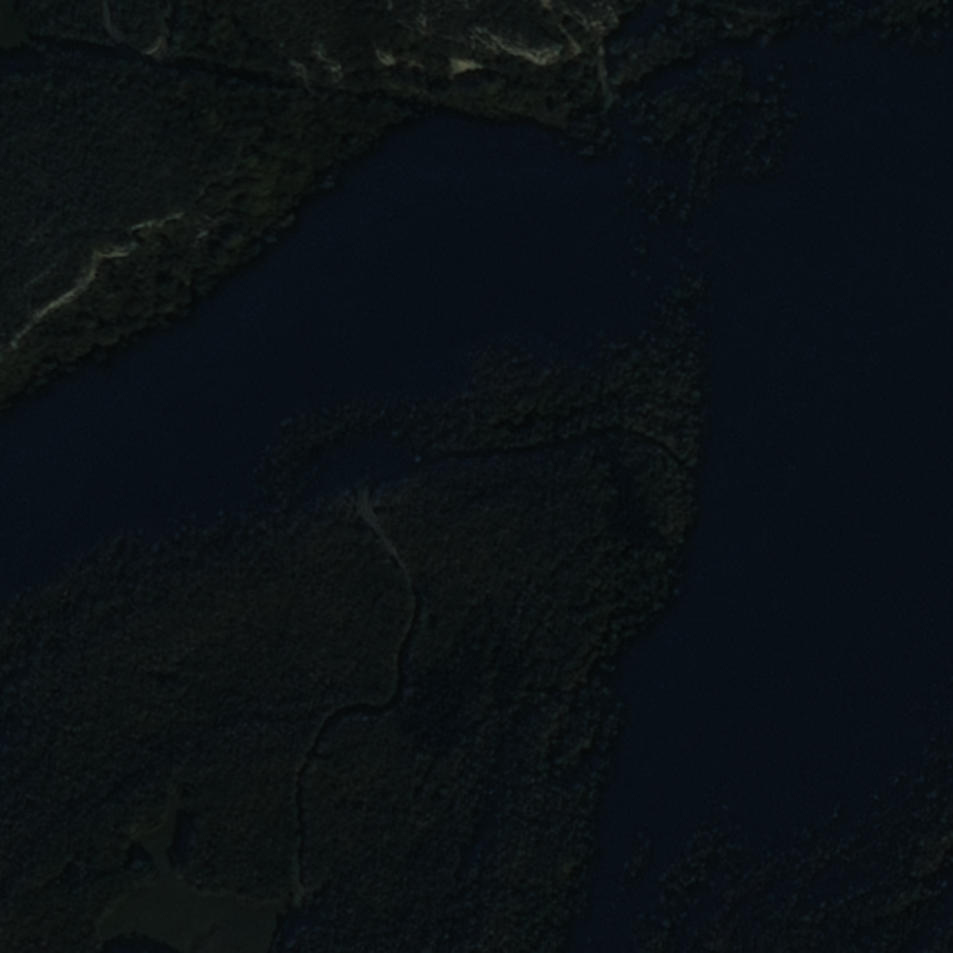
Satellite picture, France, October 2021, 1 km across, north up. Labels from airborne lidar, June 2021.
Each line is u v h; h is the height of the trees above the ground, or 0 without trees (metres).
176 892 0
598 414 19
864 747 21
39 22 17
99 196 7
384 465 25
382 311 23
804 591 22
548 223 29
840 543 23
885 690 18
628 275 39
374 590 13
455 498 12
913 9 27
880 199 26
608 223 20
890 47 25
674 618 12
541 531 10
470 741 23
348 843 15
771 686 13
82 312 6
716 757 23
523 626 16
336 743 15
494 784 21
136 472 23
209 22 30
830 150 17
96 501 17
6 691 12
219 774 19
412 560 14
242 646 20
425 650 13
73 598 12
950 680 33
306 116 28
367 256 21
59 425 13
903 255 26
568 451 18
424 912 16
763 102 29
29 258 5
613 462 19
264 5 13
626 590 16
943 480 28
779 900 21
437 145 20
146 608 13
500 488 13
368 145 15
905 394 35
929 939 26
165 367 26
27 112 12
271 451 20
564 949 26
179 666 11
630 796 27
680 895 33
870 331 24
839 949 27
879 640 32
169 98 17
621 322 28
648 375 24
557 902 28
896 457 35
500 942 27
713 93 15
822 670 30
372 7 16
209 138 14
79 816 20
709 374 33
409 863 19
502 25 6
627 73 13
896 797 21
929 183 17
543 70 15
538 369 13
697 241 29
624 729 29
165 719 24
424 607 17
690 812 22
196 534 17
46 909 19
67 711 16
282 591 15
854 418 19
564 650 15
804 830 29
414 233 31
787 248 29
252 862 17
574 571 15
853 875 23
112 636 12
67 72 17
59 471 27
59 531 23
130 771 20
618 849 29
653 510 19
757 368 31
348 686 16
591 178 16
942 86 21
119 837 21
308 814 15
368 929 21
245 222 18
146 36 7
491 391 16
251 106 28
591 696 24
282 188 27
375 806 14
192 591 10
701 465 28
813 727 27
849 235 19
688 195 24
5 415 19
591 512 16
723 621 22
